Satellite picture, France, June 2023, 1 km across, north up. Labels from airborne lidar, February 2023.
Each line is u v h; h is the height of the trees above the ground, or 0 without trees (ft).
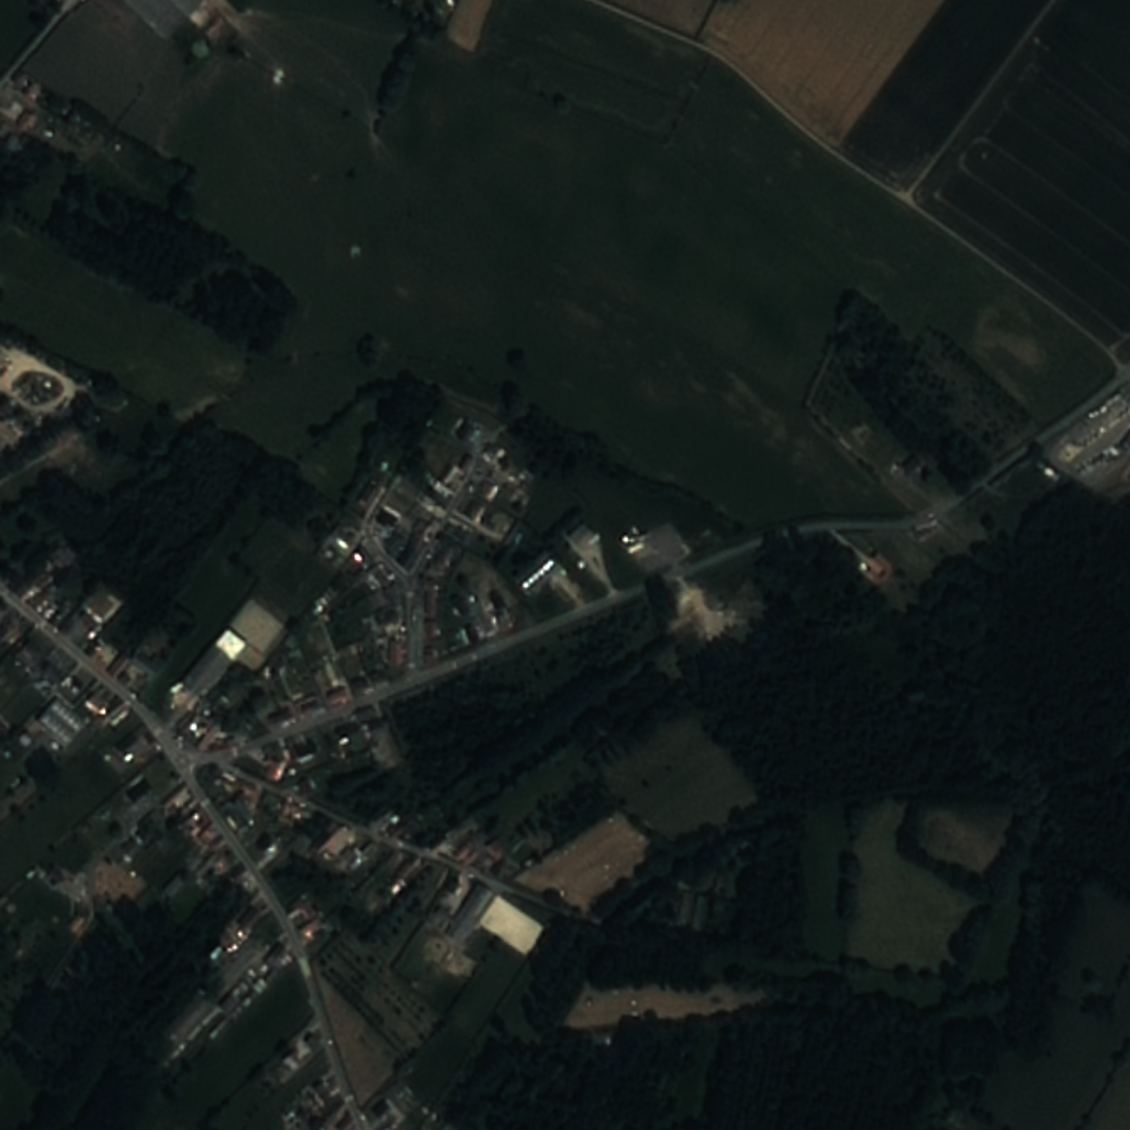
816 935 0
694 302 0
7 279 0
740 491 0
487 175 0
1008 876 56
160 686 0
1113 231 0
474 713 29
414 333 0
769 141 0
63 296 0
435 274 0
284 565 0
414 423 45
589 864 0
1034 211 0
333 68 0
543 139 0
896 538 0
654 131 0
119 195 19
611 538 0
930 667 60
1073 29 0
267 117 0
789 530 0
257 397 0
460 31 0
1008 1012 81
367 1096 0
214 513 21
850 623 43
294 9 0
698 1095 0
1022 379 0
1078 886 41
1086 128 0
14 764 0
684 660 32
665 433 0
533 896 0
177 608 42
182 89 0
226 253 49
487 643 0
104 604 0
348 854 0
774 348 0
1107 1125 0
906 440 79
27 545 27
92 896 0
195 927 25
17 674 0
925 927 0
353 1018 0
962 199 0
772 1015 69
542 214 0
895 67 0
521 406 54
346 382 0
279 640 0
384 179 0
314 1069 0
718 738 52
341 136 0
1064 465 0
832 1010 62
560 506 0
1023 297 0
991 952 0
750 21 0
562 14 0
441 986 0
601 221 0
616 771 0
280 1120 0
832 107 0
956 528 0
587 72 0
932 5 0
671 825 0
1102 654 50
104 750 0
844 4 0
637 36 0
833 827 0
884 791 28
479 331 0
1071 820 52
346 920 30
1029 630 52
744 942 56
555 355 0
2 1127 0
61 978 96
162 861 0
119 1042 115
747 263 0
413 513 0
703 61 0
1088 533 47
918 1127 34
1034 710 56
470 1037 0
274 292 103
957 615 55
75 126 0
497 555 26
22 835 0
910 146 0
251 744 0
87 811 0
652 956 96
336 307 0
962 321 0
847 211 0
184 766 0
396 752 0
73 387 0
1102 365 0
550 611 0
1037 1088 0
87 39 0
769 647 81
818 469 0
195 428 45
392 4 26
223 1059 0
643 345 0
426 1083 0
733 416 0
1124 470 0
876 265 0
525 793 0
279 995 0
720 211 0
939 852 0
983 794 49
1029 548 48
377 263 0
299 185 0
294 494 99
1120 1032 0
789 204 0
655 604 65
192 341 0
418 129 0
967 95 0
